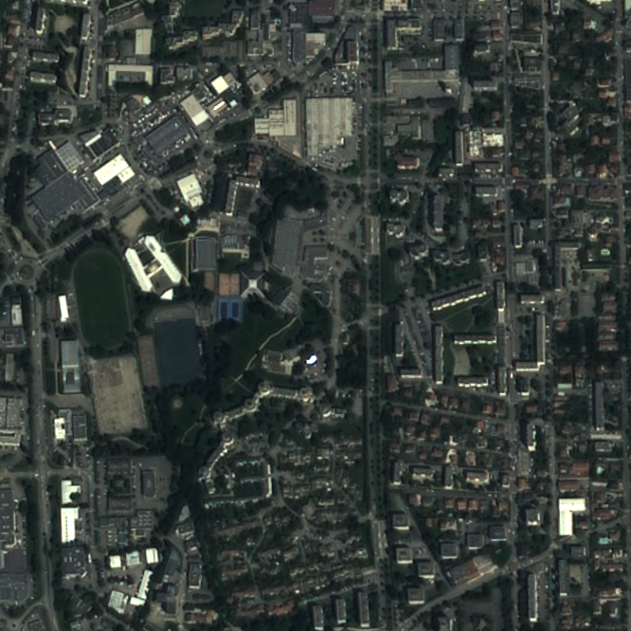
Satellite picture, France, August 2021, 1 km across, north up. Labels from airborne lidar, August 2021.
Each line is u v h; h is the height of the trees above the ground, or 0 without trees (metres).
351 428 0
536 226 0
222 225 0
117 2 0
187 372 0
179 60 13
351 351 10
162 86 12
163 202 9
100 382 0
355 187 8
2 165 0
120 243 9
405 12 6
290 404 7
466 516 15
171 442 17
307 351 10
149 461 0
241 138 0
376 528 0
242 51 0
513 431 0
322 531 8
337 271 0
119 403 0
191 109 0
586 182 0
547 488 13
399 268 0
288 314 12
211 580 11
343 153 0
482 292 0
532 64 0
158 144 0
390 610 8
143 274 0
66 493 0
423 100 13
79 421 0
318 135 0
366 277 0
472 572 0
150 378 0
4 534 0
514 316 0
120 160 0
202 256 0
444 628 0
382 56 0
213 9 0
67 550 0
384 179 0
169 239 0
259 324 0
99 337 0
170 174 8
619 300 12
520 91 10
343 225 0
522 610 12
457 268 7
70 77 0
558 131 6
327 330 0
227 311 0
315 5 0
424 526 7
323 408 0
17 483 0
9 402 0
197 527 11
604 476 12
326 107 0
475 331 0
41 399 0
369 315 0
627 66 0
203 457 14
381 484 8
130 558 0
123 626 9
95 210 0
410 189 0
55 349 0
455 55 0
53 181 0
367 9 0
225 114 0
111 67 0
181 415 0
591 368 9
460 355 0
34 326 0
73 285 0
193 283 16
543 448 6
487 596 11
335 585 13
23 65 0
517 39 0
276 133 0
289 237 0
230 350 28
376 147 8
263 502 10
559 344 10
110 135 0
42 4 6
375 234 0
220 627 9
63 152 0
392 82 0
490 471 0
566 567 0
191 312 0
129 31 6
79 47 24
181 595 0
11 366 0
